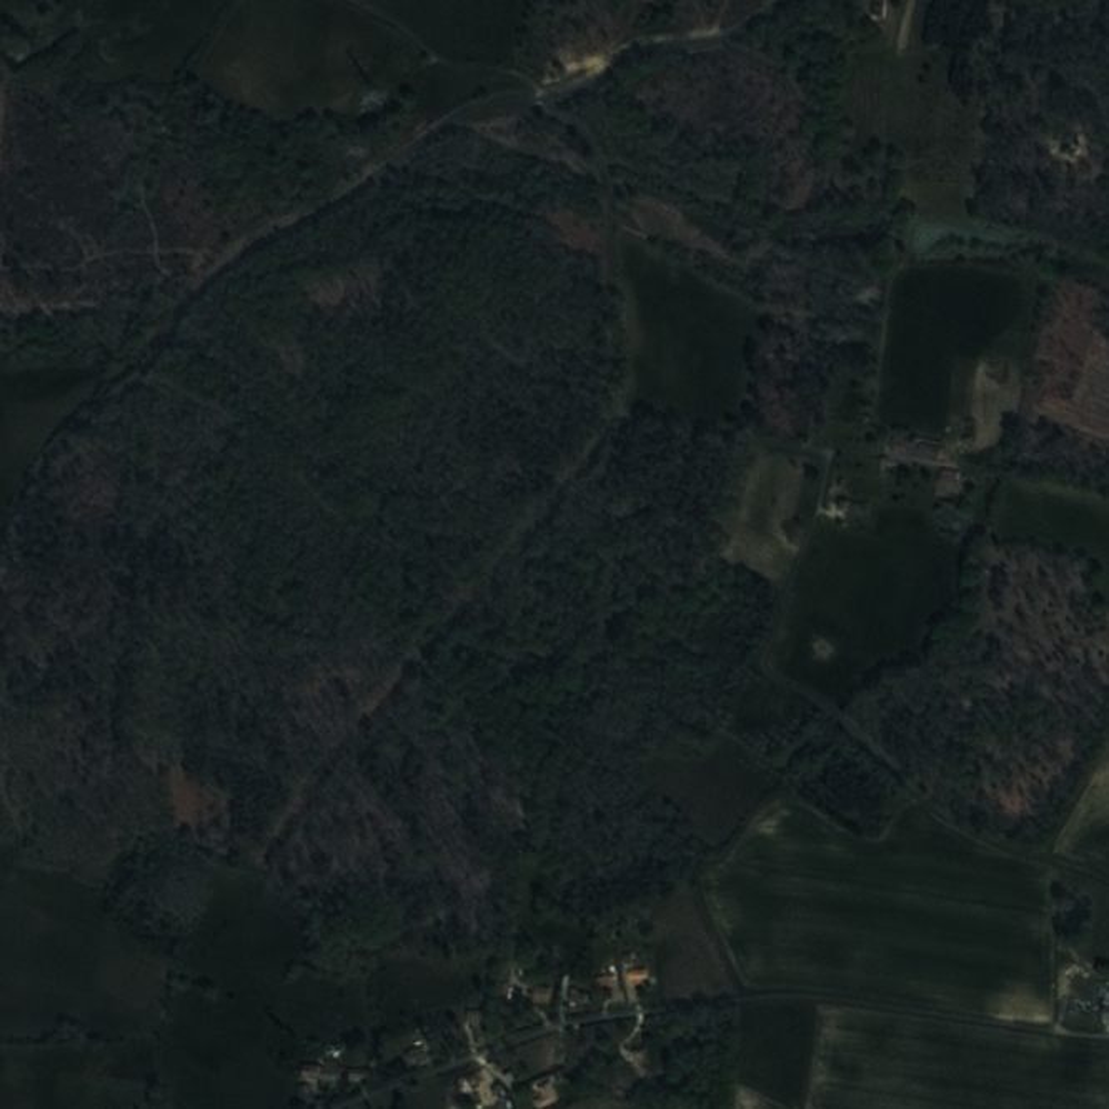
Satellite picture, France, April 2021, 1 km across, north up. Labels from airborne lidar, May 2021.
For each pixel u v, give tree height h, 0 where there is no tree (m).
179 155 11
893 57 0
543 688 25
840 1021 0
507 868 22
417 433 16
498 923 16
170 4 0
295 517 15
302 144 8
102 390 8
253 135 12
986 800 14
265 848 13
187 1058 0
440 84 0
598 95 11
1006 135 19
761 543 0
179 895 20
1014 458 6
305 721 17
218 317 22
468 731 23
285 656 19
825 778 11
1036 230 18
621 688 13
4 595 14
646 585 12
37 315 12
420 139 0
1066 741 10
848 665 0
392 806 15
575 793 21
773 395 0
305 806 7
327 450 14
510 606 18
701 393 0
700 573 16
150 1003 0
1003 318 0
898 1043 0
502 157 11
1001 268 8
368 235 17
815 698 0
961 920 0
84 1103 0
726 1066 22
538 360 13
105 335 17
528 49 7
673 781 0
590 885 16
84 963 0
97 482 9
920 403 0
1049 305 12
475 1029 0
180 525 21
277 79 0
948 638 20
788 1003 0
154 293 11
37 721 12
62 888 0
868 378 15
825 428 14
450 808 14
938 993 0
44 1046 8
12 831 12
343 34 0
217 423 11
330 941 19
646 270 0
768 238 10
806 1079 0
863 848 0
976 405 0
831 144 20
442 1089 0
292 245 16
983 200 17
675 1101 24
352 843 17
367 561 20
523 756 20
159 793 17
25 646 15
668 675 16
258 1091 0
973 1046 0
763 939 0
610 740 13
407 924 17
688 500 21
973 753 15
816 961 0
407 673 10
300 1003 0
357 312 14
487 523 19
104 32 0
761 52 17
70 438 17
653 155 11
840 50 19
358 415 24
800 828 0
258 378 14
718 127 9
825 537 0
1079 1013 0
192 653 18
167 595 21
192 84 14
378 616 18
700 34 0
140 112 8
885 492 0
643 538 8
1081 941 28
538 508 10
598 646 25
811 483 10
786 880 0
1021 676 13
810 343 11
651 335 0
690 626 11
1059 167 11
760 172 19
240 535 19
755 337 0
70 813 15
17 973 0
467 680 25
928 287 0
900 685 22
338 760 7
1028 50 20
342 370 18
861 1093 0
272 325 24
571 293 14
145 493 15
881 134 0
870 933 0
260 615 21
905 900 0
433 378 24
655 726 13
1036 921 0
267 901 0
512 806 18
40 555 21
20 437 0
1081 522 0
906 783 16
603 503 11
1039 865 0
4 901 0
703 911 0
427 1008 0
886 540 0
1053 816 13
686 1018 20
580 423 19
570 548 20
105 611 8
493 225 19
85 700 8
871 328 17
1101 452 6
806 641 0
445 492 17
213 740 15
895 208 16
